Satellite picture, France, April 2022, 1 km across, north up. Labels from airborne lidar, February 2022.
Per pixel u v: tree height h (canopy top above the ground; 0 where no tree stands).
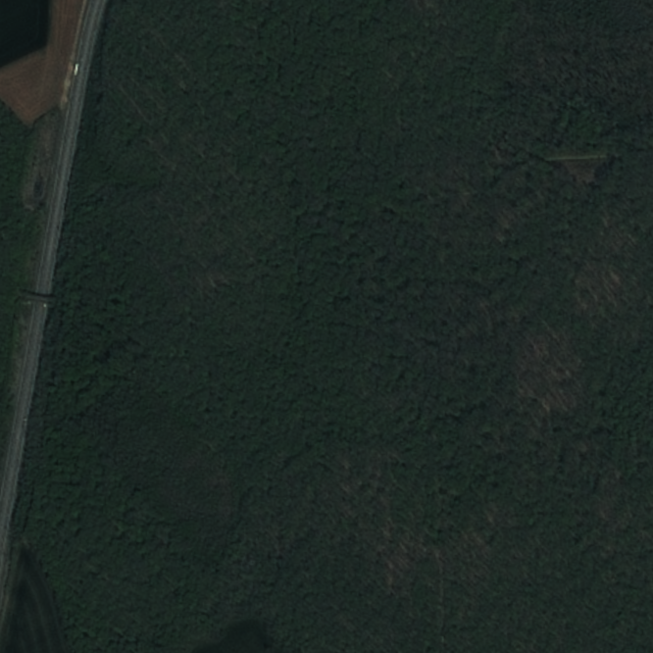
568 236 25
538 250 26
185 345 27
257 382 24
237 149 26
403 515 26
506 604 26
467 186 31
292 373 20
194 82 25
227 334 22
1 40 0
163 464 8
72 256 17
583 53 9
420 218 27
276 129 26
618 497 25
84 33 0
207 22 24
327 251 31
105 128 19
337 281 27
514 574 29
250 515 26
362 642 28
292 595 27
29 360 0
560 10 8
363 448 24
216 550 13
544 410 26
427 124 26
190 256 26
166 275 27
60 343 21
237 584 26
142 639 23
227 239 26
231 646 0
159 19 23
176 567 25
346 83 21
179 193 25
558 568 28
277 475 26
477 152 28
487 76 25
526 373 26
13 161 19
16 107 0
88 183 9
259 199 24
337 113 24
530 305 27
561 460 27
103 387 19
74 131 0
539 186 32
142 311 27
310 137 23
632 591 22
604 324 26
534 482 19
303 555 25
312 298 22
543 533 22
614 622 21
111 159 20
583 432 26
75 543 26
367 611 27
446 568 24
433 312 29
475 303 25
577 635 25
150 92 26
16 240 22
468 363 27
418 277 30
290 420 23
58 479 17
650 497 23
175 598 23
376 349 27
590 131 23
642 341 26
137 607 23
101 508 25
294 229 24
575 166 0
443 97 25
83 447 17
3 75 0
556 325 25
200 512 10
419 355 27
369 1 27
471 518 26
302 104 23
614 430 27
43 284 0
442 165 30
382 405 27
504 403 29
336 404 23
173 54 23
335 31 26
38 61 0
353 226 27
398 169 25
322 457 23
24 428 0
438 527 25
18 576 0
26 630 0
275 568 27
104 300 27
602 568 26
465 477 23
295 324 20
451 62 25
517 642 27
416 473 25
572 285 22
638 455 28
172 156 23
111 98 24
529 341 27
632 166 26
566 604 26
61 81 0
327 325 24
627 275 29
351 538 26
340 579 30
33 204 0
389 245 25
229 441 25
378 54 24
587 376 25
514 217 29
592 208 26
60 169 0
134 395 9
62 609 14
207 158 22
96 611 24
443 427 25
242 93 25
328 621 26
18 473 0
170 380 25
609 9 5
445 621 24
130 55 23
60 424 10
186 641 20
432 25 24
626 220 27
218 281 26
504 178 26
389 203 24
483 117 24
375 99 25
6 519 0
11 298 16
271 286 22
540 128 25
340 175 27
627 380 26
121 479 24
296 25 26
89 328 27
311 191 26
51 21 0
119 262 22
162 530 26
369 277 27
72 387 15
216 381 25
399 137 25
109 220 22
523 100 25
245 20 21
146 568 29
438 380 27
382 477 25
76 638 17
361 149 24
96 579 22
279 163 23
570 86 10
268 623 17
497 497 24
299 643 20
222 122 28
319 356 24
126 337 27
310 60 24
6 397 14
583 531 25
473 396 31
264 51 24
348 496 25
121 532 26
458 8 25
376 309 26
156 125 25
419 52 27
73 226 12
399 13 23
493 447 27
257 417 27
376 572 25
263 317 22
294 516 26
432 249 26
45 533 21
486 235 28
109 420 15
